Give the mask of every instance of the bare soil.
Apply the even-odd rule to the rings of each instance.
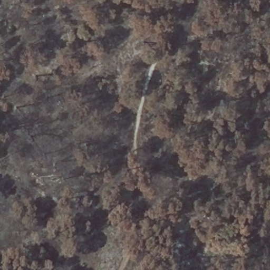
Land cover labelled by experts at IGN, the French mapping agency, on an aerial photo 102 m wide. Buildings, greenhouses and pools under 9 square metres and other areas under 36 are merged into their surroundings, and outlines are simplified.
[[[22,75],[7,86],[7,90],[0,97],[0,174],[11,175],[16,186],[16,192],[8,197],[4,197],[0,192],[0,255],[2,250],[11,248],[14,254],[25,256],[30,248],[22,239],[31,236],[8,224],[8,216],[15,208],[31,206],[36,209],[37,224],[45,228],[47,221],[54,217],[56,205],[61,201],[69,201],[73,206],[79,206],[81,202],[88,201],[86,193],[90,188],[84,185],[84,178],[90,172],[78,166],[76,150],[80,143],[85,143],[89,136],[95,138],[102,133],[116,135],[122,141],[123,147],[132,149],[136,121],[127,129],[112,126],[111,131],[100,131],[92,119],[83,117],[77,111],[75,104],[66,97],[66,89],[73,82],[84,83],[85,78],[91,75],[113,74],[117,77],[118,96],[123,94],[136,86],[136,80],[129,76],[130,65],[136,60],[137,55],[144,54],[146,43],[138,31],[133,30],[128,39],[118,45],[118,51],[114,56],[103,52],[101,57],[95,57],[95,61],[89,60],[70,75],[62,73],[59,66],[60,58],[57,56],[47,66],[28,65]]]
[[[129,191],[124,182],[121,182],[116,198],[120,205],[129,206],[134,217],[140,217],[152,208],[139,189]]]

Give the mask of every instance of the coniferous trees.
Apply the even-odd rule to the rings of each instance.
[[[137,55],[136,60],[130,65],[129,76],[136,80],[136,86],[123,94],[118,96],[117,77],[113,74],[91,75],[85,78],[84,83],[73,82],[66,89],[66,97],[75,104],[77,111],[83,117],[92,119],[100,131],[111,131],[112,126],[127,129],[136,121],[132,149],[123,147],[122,141],[116,135],[102,133],[95,138],[89,136],[85,143],[80,143],[76,150],[78,166],[90,172],[84,178],[84,185],[90,188],[86,193],[88,201],[81,202],[79,206],[73,206],[69,201],[61,201],[56,205],[54,217],[47,221],[45,228],[37,224],[36,209],[31,206],[15,208],[8,216],[8,224],[31,236],[22,239],[30,248],[25,256],[14,254],[11,248],[2,250],[0,255],[0,270],[270,270],[270,0],[0,0],[0,97],[7,90],[7,86],[22,75],[28,65],[47,66],[57,56],[60,58],[59,66],[62,73],[70,75],[89,60],[95,61],[95,57],[101,57],[103,52],[114,56],[118,51],[118,45],[128,39],[133,30],[138,31],[146,43],[144,54]],[[120,205],[116,198],[121,182],[124,182],[129,191],[139,189],[152,208],[140,217],[134,217],[129,206]]]
[[[16,186],[11,175],[0,174],[0,192],[4,197],[8,197],[16,192]]]

